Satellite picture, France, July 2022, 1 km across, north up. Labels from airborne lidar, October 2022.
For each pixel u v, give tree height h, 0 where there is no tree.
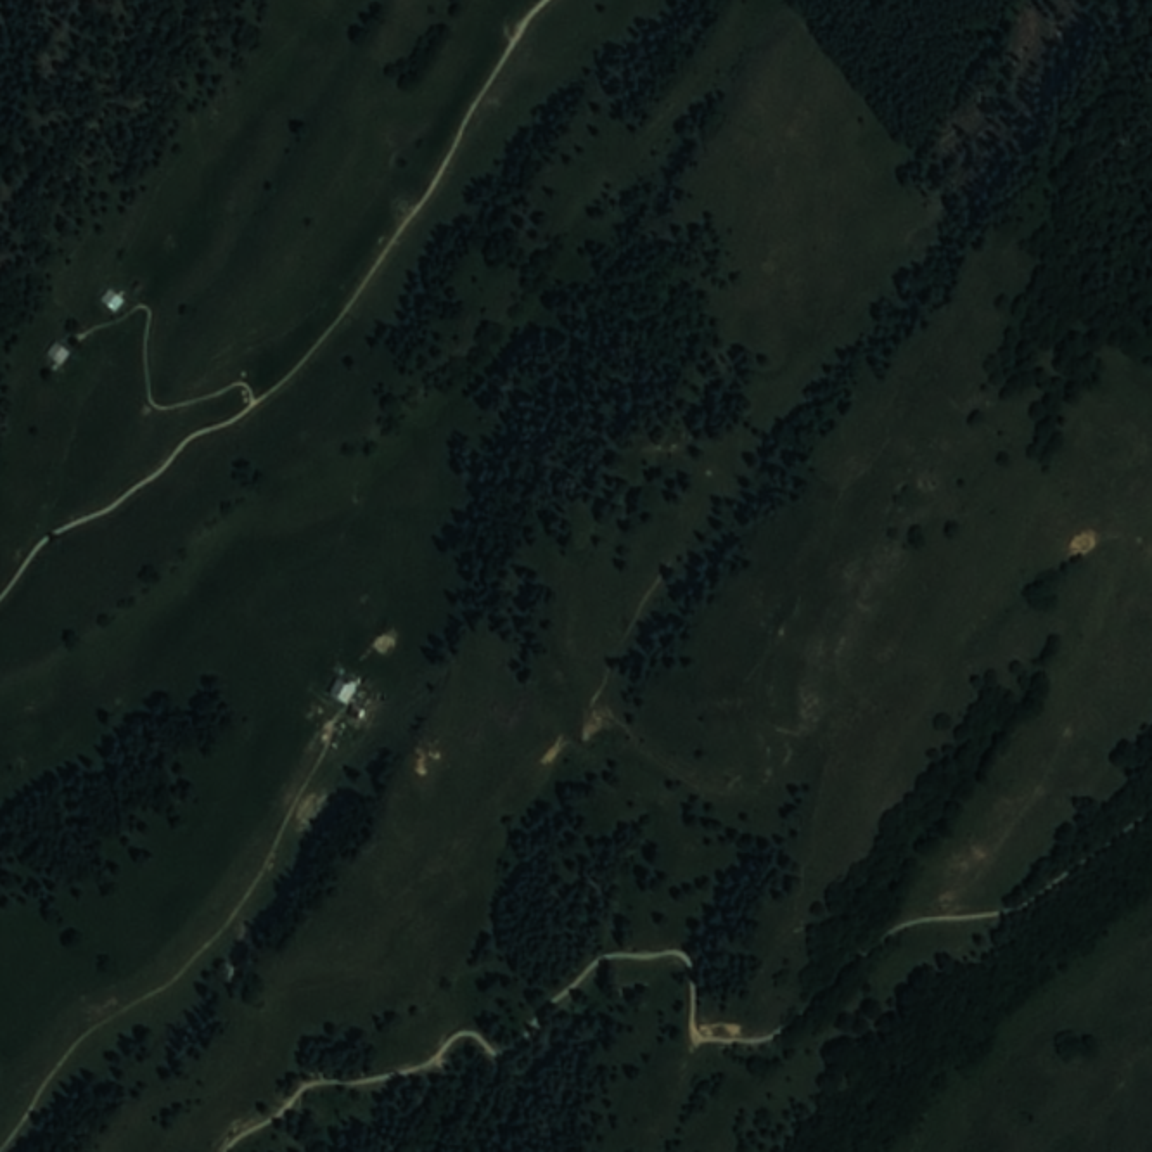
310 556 0
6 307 13
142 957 0
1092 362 20
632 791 0
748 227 0
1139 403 0
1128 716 0
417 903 0
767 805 0
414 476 0
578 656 0
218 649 0
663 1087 0
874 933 24
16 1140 0
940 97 19
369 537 0
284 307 0
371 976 0
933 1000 18
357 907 0
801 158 0
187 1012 0
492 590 11
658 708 0
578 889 9
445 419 0
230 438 0
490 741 0
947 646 0
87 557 0
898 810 11
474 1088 26
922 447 0
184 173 0
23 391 0
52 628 0
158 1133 0
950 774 18
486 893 0
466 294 0
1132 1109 0
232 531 0
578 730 0
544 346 29
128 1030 0
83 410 0
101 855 17
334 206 0
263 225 0
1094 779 0
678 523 0
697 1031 0
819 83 0
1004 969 14
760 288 0
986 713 17
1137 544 0
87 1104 19
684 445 0
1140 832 14
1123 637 0
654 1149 0
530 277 13
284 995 0
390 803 0
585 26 0
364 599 0
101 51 12
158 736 19
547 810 22
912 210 0
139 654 0
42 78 16
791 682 0
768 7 0
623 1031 22
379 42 0
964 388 0
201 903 0
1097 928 15
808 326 0
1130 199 15
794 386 0
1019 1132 0
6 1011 0
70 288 0
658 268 11
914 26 29
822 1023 22
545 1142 24
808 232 0
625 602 0
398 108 0
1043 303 15
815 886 0
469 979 0
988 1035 14
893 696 0
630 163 0
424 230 0
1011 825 0
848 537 0
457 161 0
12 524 0
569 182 0
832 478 0
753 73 0
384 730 0
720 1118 0
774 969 0
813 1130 19
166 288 0
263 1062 0
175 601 0
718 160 0
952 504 0
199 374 0
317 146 0
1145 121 20
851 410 13
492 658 0
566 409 16
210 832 0
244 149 0
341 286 0
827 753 0
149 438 0
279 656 0
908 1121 16
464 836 0
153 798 21
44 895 20
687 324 11
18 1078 0
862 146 0
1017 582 0
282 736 0
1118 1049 0
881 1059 24
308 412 0
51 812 20
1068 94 24
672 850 0
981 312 0
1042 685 18
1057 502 0
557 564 0
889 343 11
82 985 0
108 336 0
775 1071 9
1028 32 0
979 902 0
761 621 0
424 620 0
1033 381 13
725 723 0
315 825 0
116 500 0
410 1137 24
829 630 0
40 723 0
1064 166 10
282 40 0
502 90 0
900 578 0
